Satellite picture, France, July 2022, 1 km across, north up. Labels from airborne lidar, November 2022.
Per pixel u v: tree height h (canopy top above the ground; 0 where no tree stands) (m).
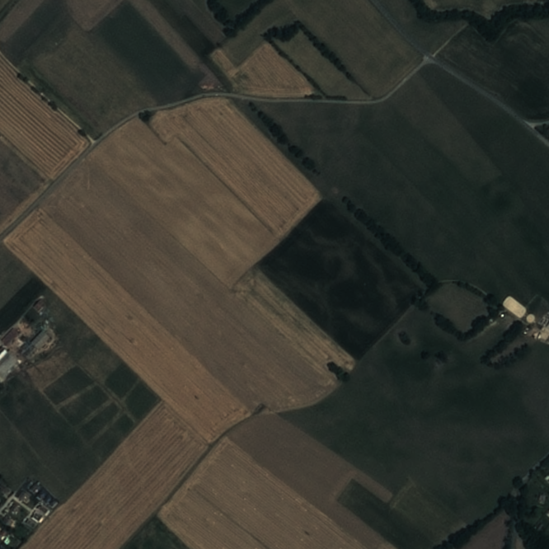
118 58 0
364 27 0
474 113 0
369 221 14
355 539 0
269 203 0
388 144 0
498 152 0
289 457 0
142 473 0
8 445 0
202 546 0
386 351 0
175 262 0
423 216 0
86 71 0
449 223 0
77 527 0
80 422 0
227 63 0
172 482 0
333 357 0
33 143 0
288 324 0
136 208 0
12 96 0
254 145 0
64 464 0
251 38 0
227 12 21
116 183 0
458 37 0
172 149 0
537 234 0
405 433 0
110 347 0
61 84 0
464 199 0
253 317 0
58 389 0
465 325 0
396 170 0
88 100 0
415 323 0
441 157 0
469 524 0
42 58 0
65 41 0
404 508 0
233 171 0
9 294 0
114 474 0
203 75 0
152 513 0
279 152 0
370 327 0
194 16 0
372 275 0
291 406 0
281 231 0
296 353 0
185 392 0
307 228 0
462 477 0
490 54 0
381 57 0
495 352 12
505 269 0
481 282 0
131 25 0
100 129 0
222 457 0
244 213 0
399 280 0
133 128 0
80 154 0
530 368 0
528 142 0
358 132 0
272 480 0
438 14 18
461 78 0
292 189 0
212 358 0
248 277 0
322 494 0
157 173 0
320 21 0
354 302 0
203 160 0
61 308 0
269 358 0
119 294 0
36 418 0
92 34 0
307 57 0
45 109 0
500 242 0
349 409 0
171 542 0
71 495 0
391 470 0
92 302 0
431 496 0
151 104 0
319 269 0
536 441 0
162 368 0
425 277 20
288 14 0
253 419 0
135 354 0
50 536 0
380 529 0
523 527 14
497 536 0
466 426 0
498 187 0
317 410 0
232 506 0
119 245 0
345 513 0
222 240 0
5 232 0
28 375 0
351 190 0
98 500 0
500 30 10
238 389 0
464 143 0
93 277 0
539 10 20
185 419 0
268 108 0
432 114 0
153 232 0
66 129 0
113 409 0
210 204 0
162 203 0
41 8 0
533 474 14
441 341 0
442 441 0
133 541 0
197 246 0
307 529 0
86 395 0
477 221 0
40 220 0
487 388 0
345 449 0
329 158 0
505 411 0
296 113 0
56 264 0
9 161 0
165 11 0
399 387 0
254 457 0
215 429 0
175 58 0
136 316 0
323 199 0
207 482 0
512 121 0
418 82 0
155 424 0
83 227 0
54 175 0
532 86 0
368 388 0
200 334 0
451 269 0
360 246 0
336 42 0
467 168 0
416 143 0
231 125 0
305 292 0
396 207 0
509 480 0
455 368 0
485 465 0
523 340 0
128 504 0
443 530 0
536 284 0
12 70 0
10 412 0
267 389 0
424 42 0
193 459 0
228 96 0
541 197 0
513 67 0
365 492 0
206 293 0
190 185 0
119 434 0
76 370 0
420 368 0
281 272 0
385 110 0
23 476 0
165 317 0
